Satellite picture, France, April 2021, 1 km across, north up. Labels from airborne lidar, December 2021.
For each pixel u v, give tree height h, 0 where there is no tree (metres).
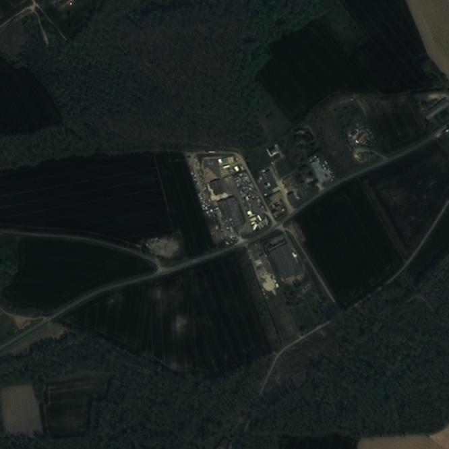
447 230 0
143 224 0
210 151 0
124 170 0
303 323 0
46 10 0
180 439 28
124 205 0
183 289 0
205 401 26
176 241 0
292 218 0
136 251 0
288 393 37
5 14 0
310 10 23
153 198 0
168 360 0
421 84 0
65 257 0
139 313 0
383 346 37
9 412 0
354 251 0
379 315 29
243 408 35
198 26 26
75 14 0
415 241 0
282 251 0
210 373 0
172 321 0
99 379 0
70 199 0
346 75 0
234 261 0
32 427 0
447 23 0
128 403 38
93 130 19
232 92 25
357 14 0
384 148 0
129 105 18
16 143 17
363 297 0
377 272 0
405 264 0
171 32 26
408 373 39
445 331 18
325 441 0
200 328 0
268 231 0
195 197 0
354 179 0
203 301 0
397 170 0
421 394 13
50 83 9
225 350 0
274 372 0
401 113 0
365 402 40
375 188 0
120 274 0
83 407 0
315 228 0
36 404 0
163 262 12
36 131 9
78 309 0
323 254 0
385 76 0
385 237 0
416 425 7
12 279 20
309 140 14
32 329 0
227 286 0
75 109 19
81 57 18
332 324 40
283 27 20
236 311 0
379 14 0
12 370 21
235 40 25
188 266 0
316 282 0
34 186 0
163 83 20
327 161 0
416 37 0
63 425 0
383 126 0
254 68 21
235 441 10
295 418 41
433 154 0
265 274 0
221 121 24
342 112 0
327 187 0
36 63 15
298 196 0
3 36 0
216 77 24
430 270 21
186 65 24
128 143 24
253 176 0
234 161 0
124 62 19
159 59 22
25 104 0
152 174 0
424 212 0
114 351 26
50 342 13
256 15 26
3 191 0
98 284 0
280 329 0
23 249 0
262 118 0
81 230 0
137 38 24
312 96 0
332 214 0
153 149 22
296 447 0
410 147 0
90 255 0
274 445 28
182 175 0
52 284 0
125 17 26
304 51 0
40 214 0
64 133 17
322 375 38
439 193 0
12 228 0
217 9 28
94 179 0
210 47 26
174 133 20
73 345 19
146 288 0
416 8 0
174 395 24
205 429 23
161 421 23
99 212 0
